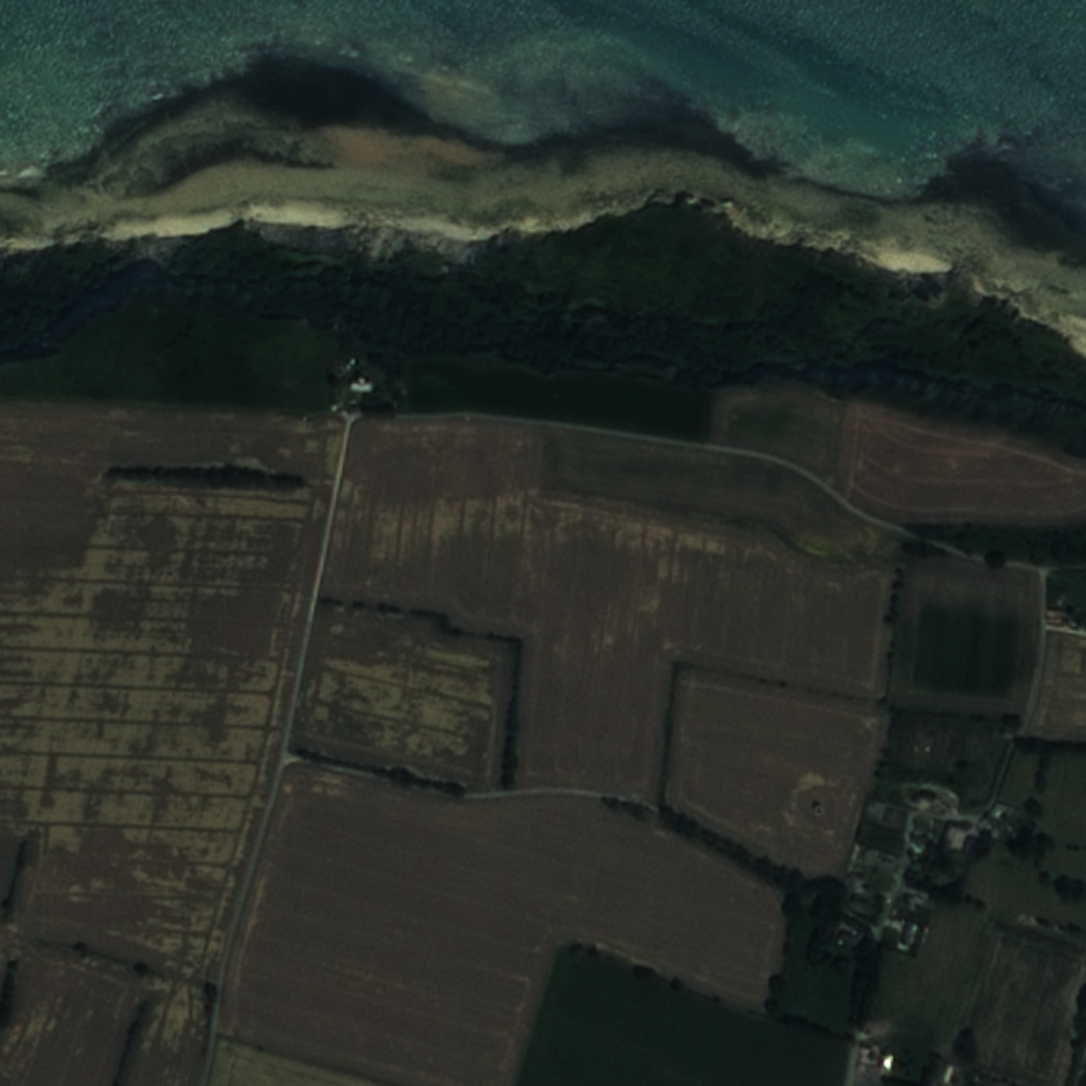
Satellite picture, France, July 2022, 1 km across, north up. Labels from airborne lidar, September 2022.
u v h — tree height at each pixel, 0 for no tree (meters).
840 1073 0
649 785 0
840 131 0
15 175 0
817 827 0
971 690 0
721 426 0
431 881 0
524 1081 0
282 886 0
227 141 0
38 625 0
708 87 0
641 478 0
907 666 0
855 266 0
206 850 0
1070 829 0
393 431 0
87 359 0
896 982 0
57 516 0
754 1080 0
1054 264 0
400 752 0
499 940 0
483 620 0
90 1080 0
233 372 0
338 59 0
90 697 0
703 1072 0
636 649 0
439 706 0
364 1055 0
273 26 0
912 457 0
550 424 0
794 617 0
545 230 0
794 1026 19
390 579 0
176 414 0
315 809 0
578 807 0
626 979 0
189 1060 0
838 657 0
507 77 0
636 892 0
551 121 0
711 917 0
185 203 0
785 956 5
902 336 0
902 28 0
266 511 0
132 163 0
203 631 0
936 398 0
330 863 0
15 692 0
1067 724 0
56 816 0
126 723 0
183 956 0
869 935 9
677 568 0
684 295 0
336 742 0
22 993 0
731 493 0
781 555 0
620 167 0
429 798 0
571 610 0
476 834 0
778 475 0
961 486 0
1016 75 0
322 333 0
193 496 0
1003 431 0
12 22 0
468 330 13
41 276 7
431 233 0
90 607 0
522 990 0
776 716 0
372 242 0
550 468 0
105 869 0
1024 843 19
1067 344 0
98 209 0
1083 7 0
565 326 11
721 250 0
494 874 0
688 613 0
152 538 0
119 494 0
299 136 0
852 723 0
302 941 0
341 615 0
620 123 0
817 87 0
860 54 0
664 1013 0
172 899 0
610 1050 0
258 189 0
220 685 0
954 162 0
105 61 0
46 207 0
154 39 0
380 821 0
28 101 0
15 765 0
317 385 0
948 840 0
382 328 9
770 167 0
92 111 0
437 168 0
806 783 0
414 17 0
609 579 0
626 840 0
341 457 0
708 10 0
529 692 0
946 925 0
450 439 0
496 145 0
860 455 0
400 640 0
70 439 0
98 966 0
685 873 0
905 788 0
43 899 0
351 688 0
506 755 9
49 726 0
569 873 0
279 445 0
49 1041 0
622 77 0
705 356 6
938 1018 0
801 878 15
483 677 0
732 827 0
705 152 0
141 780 0
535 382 0
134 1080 0
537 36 0
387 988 0
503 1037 0
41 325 7
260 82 0
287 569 0
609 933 0
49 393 0
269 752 0
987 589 0
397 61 0
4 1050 0
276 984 0
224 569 0
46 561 0
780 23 0
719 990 0
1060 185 0
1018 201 0
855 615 0
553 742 0
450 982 0
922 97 0
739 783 0
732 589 0
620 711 0
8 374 0
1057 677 0
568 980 0
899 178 0
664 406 0
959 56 0
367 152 0
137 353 0
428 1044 0
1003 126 0
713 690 0
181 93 0
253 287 9
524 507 0
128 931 0
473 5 0
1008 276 0
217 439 0
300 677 0
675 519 0
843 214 0
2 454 0
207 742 0
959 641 0
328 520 0
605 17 0
